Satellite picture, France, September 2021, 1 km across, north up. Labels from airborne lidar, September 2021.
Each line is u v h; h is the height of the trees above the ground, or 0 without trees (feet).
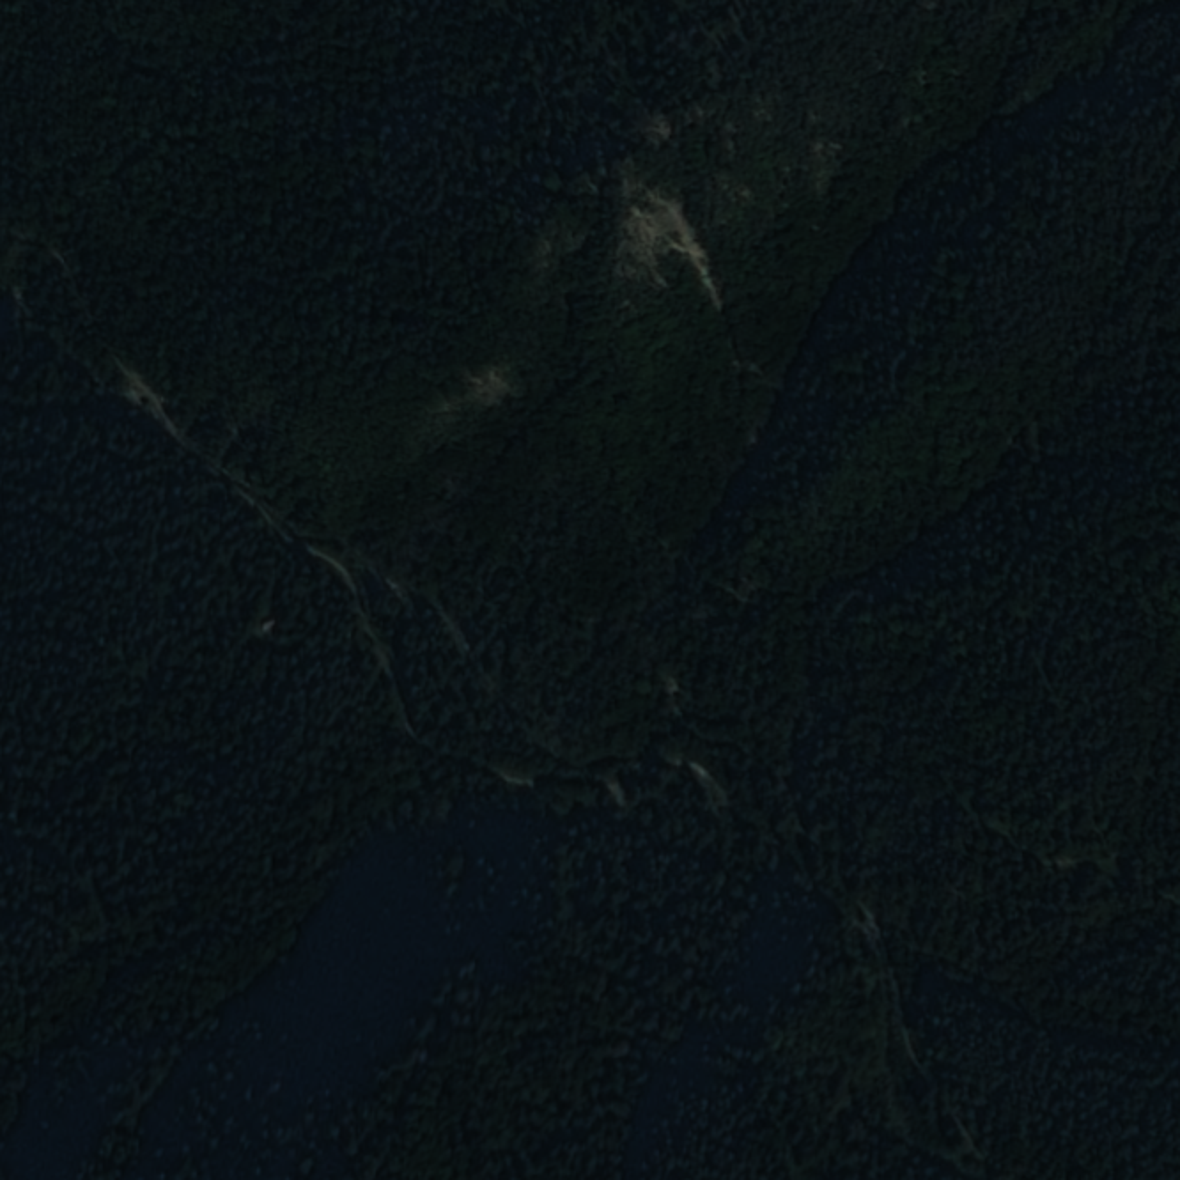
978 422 79
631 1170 78
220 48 66
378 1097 60
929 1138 28
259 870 69
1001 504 94
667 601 51
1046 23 66
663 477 66
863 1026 67
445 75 68
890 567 100
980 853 90
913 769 73
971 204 98
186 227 59
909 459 79
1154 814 61
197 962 77
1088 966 88
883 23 84
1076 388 55
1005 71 33
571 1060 102
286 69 76
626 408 82
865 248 57
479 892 89
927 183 62
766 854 56
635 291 52
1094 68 32
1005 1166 70
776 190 50
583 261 69
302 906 92
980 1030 41
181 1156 98
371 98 81
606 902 91
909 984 37
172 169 63
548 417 67
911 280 84
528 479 72
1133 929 61
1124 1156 88
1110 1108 39
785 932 92
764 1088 82
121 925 92
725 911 49
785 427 71
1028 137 61
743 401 58
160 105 82
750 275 71
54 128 82
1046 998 57
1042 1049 75
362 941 80
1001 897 102
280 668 78
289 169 112
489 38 78
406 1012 68
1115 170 62
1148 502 90
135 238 82
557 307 77
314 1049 99
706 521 50
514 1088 63
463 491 73
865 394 75
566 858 69
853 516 47
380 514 100
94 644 60
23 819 64
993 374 93
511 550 54
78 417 26
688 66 36
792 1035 26
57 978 72
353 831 81
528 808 55
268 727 84
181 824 49
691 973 36
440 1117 55
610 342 58
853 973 77
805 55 83
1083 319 99
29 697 72
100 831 73
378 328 126
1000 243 97
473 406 49
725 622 89
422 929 70
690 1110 103
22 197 64
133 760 68
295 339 105
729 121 71
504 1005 73
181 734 73
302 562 26
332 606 41
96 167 83
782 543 61
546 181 106
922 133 51
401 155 69
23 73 88
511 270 63
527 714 60
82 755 43
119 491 98
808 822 25
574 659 79
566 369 77
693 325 52
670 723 35
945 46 66
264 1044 47
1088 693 84
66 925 77
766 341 78
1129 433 95
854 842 86
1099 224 82
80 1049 72
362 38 86
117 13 60
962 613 95
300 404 66
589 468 68
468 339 72
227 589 59
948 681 61
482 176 77
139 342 74
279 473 91
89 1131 65
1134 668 100
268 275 100
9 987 68
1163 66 64
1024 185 110
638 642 64
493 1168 80
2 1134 80
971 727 84
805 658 31
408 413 79
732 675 78
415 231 95
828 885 37
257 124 117
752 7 22
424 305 86
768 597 47
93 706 73
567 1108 57
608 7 61
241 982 98
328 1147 74
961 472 68
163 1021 79
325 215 88
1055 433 55
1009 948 95
